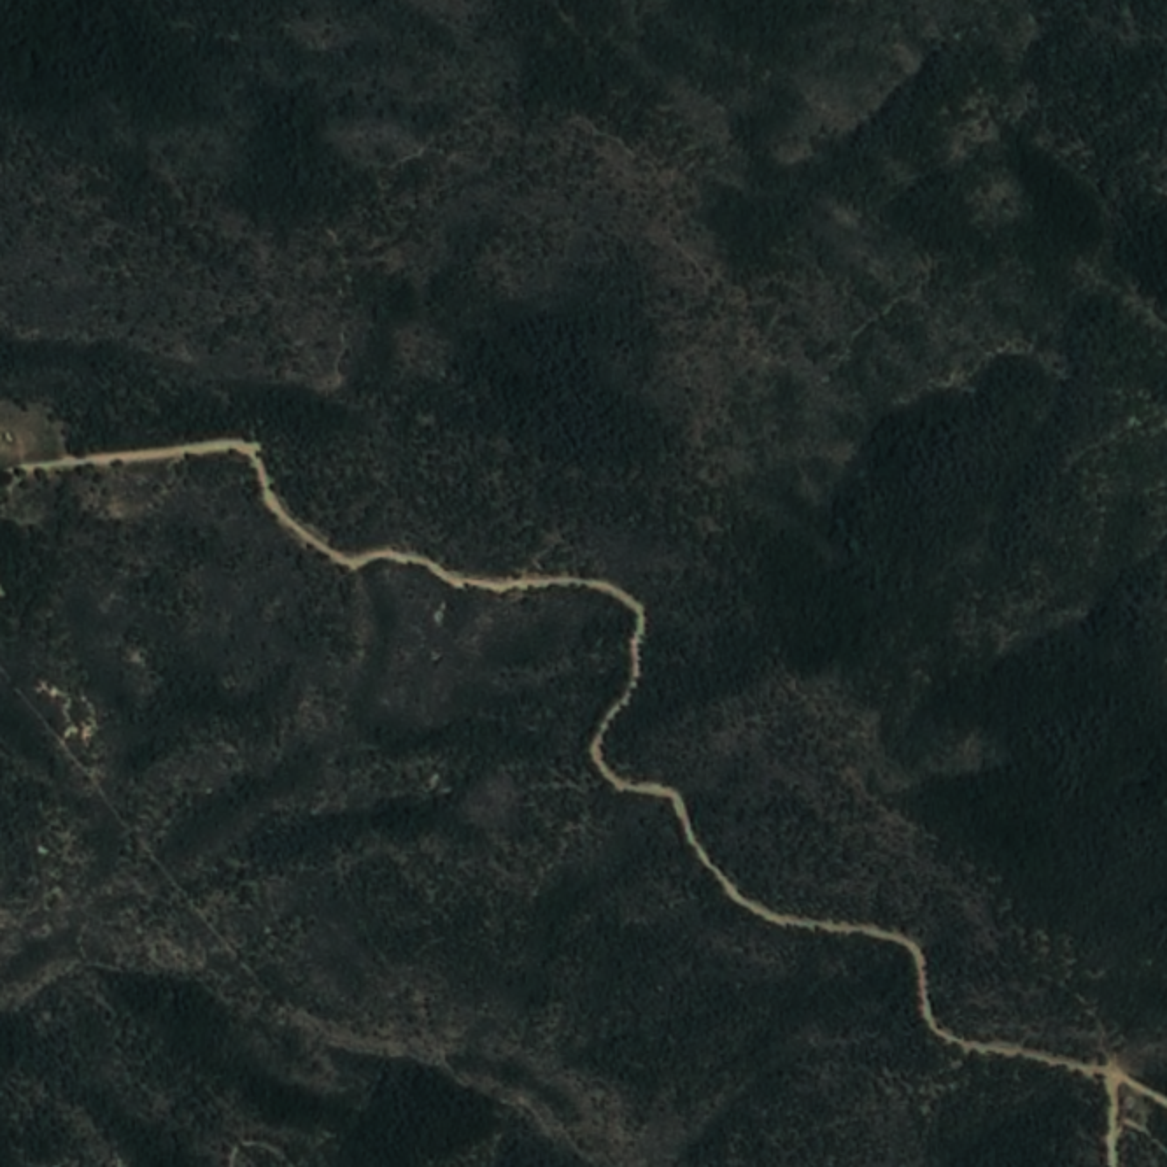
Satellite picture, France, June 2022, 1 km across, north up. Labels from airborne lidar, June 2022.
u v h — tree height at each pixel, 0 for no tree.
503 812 0
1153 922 7
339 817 11
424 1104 16
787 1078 9
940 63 17
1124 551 8
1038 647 7
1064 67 7
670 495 8
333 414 6
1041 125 7
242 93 6
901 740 8
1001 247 6
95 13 11
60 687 0
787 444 8
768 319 8
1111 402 15
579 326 11
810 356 9
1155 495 7
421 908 7
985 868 7
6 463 0
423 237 7
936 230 13
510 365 8
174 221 9
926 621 7
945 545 12
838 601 10
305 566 10
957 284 7
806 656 9
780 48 9
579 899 7
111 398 11
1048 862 8
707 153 7
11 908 7
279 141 10
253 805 7
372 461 8
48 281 6
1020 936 7
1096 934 6
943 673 7
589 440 15
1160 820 8
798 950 7
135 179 7
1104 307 9
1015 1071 9
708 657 6
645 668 7
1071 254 7
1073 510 12
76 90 12
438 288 9
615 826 8
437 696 0
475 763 6
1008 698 8
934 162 8
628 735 6
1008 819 17
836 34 9
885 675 7
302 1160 7
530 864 6
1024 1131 9
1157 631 15
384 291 8
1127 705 7
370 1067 6
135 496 0
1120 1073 0
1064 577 7
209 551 10
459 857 7
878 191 6
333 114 6
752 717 7
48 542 7
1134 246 10
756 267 7
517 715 8
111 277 8
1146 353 5
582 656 7
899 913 7
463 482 6
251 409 6
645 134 11
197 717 7
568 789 8
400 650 7
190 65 7
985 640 7
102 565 6
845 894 7
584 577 12
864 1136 7
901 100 15
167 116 6
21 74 15
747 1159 9
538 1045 8
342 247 8
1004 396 6
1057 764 10
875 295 9
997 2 6
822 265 8
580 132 6
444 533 6
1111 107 10
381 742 9
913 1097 7
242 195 7
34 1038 8
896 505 12
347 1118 10
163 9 6
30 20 24
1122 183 7
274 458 6
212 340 6
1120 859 10
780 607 8
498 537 8
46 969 0
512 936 7
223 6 7
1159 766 14
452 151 6
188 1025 7
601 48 6
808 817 8
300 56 6
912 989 7
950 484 17
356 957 0
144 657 8
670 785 6
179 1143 9
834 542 12
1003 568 6
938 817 12
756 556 7
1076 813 10
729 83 7
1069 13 10
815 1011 7
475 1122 16
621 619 7
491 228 7
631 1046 6
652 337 6
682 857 7
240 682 5
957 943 7
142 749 7
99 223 7
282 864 11
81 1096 12
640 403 6
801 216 13
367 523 7
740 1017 8
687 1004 7
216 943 0
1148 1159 5
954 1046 7
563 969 7
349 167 6
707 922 7
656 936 7
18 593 6
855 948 8
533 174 11
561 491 8
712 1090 6
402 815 8
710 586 8
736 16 8
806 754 7
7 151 7
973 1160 9
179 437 10
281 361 7
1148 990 9
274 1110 10
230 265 8
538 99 6
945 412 9
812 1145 8
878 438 12
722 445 6
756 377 7
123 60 14
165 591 12
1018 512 13
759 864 6
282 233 8
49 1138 6
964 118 7
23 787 6
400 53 7
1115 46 6
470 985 7
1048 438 7
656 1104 8
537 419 6
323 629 7
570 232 6
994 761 7
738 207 6
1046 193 12
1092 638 6
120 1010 8
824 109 0
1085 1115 6
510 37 7
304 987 9
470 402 7
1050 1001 6
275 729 7
